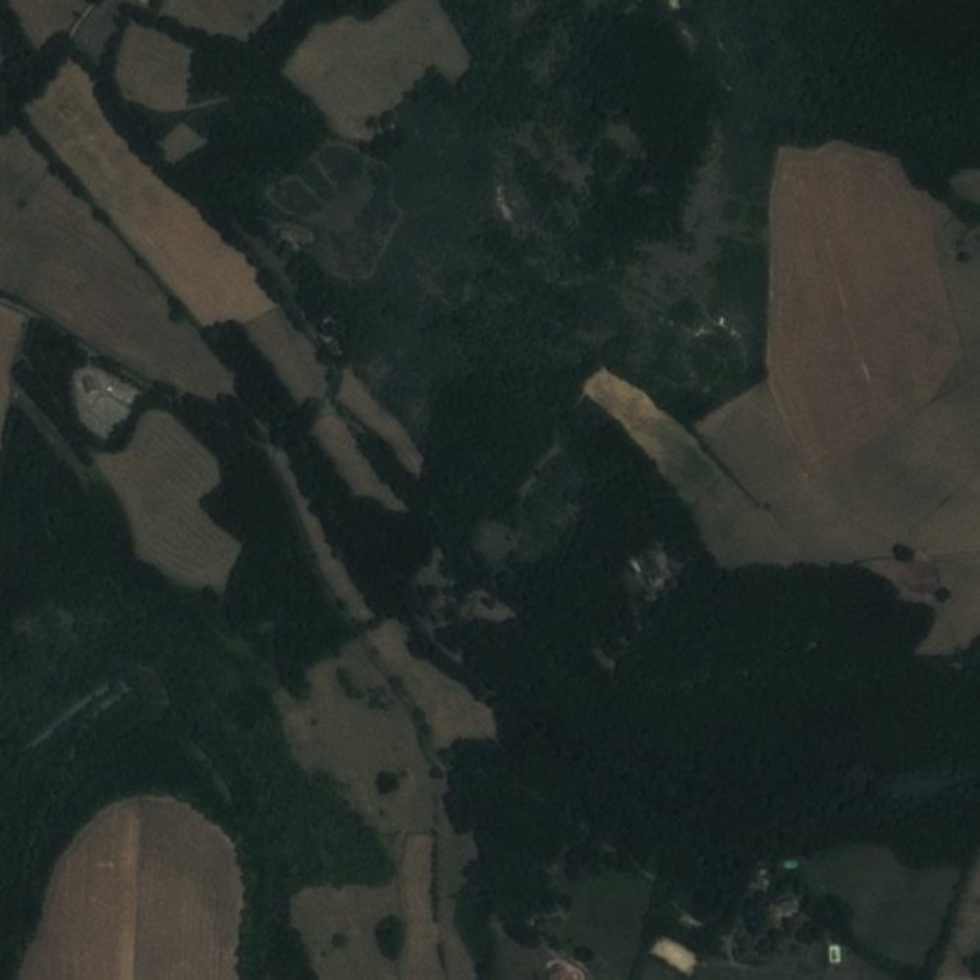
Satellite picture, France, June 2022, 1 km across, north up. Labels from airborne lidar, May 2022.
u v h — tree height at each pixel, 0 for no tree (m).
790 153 0
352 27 0
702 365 6
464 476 11
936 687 13
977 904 0
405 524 8
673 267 0
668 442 0
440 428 12
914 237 0
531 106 10
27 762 11
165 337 0
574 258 7
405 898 0
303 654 13
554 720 23
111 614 6
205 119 6
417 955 0
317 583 17
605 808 27
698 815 21
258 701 15
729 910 18
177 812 0
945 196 15
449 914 0
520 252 6
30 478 15
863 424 0
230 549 0
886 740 20
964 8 12
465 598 12
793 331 0
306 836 9
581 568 22
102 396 0
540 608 19
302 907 0
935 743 19
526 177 7
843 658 15
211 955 0
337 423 0
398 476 20
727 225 0
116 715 6
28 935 14
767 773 20
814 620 18
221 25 0
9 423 9
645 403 0
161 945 0
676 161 13
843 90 17
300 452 22
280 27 15
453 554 14
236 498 19
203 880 0
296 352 0
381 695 7
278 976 15
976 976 12
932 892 0
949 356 0
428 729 10
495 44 7
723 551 0
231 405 16
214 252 0
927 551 0
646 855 16
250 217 15
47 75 21
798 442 0
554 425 12
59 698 8
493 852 14
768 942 12
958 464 0
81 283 0
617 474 8
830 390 0
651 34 13
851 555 0
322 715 0
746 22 6
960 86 11
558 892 12
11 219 0
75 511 15
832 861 0
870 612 20
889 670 19
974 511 0
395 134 11
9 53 23
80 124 0
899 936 0
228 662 8
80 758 8
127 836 0
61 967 0
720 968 0
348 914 0
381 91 0
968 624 0
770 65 7
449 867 0
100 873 0
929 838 21
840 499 0
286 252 13
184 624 12
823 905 18
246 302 0
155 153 20
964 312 0
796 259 0
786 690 17
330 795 9
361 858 10
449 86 12
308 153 6
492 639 19
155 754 14
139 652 10
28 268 0
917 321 0
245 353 23
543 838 16
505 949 0
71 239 0
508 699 25
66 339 13
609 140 11
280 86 11
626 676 16
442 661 34
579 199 8
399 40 0
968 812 17
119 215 0
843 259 0
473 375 10
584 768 21
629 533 22
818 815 24
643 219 11
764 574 13
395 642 0
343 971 0
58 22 0
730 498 0
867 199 0
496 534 0
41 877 11
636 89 13
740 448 0
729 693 19
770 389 0
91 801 9
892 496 0
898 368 0
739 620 19
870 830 21
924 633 15
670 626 17
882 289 0
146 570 14
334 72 0
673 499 6
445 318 12
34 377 15
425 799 0
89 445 7
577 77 11
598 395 0
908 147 17
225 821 13
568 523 6
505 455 11
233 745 14
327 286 12
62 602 14
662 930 12
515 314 10
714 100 11
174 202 0
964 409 0
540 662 18
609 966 0
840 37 17
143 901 0
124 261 0
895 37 14
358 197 0
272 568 18
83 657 7
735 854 8
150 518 0
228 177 11
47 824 10
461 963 0
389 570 22
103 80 12
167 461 0
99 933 0
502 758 25
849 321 0
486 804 17
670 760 23
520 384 9
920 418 0
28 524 13
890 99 21
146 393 6
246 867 12
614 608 16
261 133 12
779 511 0
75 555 17
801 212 0
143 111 6
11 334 0
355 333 12
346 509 24
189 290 0
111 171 0
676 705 14
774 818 22
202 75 11
